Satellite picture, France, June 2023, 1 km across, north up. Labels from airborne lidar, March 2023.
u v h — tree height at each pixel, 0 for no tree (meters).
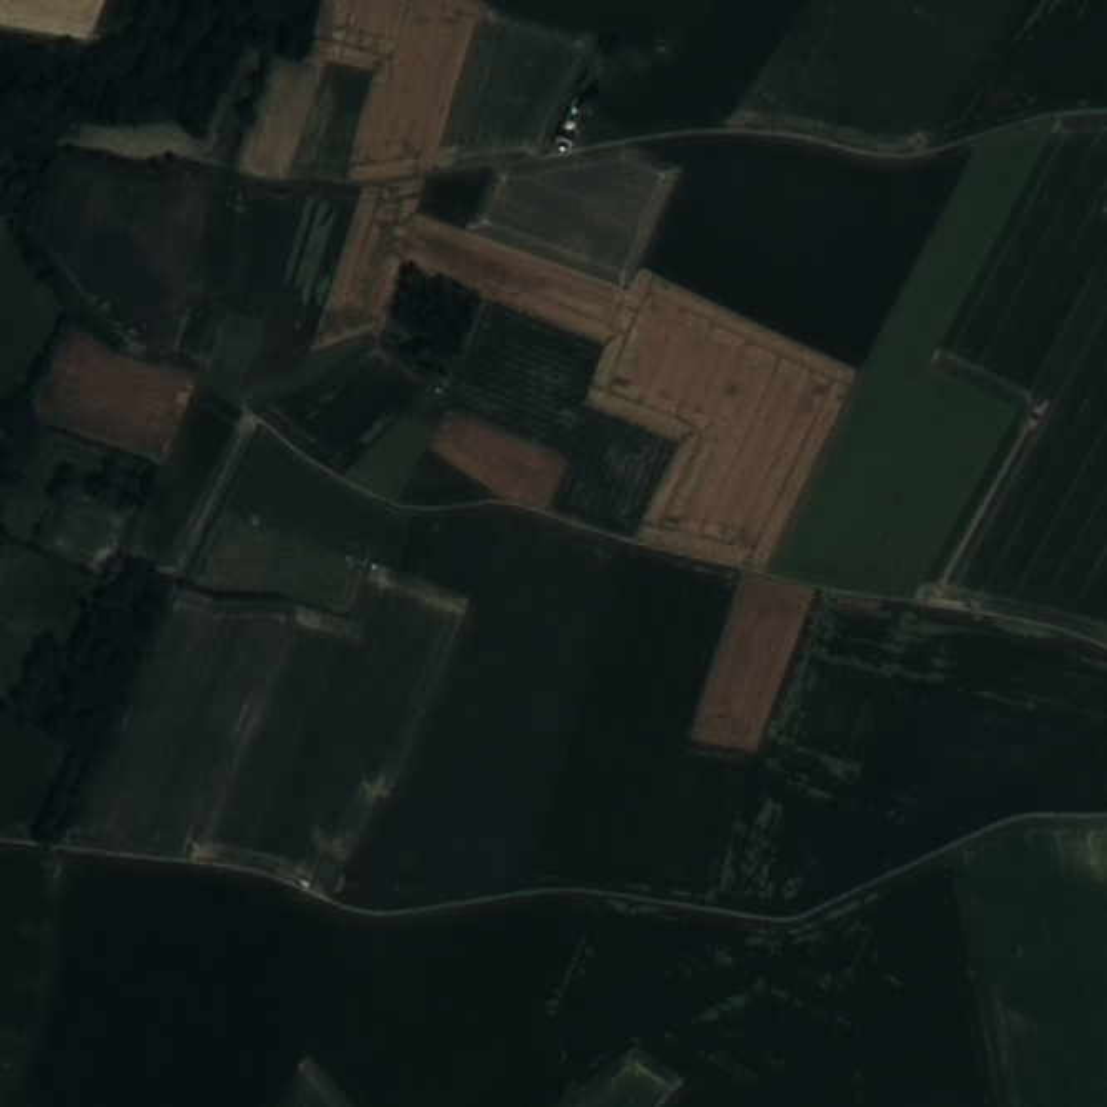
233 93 0
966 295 0
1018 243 0
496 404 0
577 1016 0
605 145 0
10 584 0
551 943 0
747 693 0
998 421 0
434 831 0
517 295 0
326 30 0
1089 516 0
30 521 0
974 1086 0
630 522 0
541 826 0
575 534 0
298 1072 0
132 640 14
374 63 0
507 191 0
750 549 0
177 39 27
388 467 0
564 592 0
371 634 0
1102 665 0
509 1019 0
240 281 0
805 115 0
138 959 0
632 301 0
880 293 0
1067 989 0
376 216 0
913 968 0
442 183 0
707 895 0
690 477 0
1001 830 0
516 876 0
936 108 0
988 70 0
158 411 0
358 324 0
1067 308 0
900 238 0
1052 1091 0
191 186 0
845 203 0
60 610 0
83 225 0
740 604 0
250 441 0
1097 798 0
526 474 0
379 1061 0
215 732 0
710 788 0
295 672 0
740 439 0
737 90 0
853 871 0
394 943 0
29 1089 0
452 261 0
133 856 0
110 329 0
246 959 0
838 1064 0
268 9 22
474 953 0
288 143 0
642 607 0
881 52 0
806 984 0
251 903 0
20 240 15
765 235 0
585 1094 0
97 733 30
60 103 29
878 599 0
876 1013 0
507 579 0
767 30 0
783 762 0
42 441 0
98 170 0
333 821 0
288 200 0
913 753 0
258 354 0
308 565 0
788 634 0
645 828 0
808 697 0
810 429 0
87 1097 0
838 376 0
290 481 0
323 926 0
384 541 0
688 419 0
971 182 0
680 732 0
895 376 0
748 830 0
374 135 0
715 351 0
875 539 0
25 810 0
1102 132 0
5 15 0
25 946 0
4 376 0
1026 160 0
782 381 0
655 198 0
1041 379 0
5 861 0
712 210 0
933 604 0
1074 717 0
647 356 0
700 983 0
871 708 0
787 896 0
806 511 0
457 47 0
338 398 0
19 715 6
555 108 0
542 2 0
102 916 0
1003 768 0
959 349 0
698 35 0
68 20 0
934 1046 0
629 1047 0
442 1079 0
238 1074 0
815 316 0
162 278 0
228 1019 0
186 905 0
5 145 9
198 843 0
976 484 0
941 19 0
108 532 0
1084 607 0
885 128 0
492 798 0
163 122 0
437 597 0
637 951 0
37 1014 0
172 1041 0
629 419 0
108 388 0
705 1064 0
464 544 0
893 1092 0
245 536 0
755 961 0
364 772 0
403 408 0
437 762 0
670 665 0
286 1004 0
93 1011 0
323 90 0
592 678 0
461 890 0
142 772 0
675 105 0
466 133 0
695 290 0
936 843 0
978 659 0
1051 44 0
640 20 0
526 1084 0
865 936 0
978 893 0
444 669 0
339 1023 0
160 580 25
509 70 0
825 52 0
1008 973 0
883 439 0
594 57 0
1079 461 0
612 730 0
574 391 0
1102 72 0
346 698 0
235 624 0
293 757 0
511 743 0
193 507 0
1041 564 0
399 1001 0
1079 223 0
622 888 0
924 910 0
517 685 0
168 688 0
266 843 0
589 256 0
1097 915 0
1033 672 0
